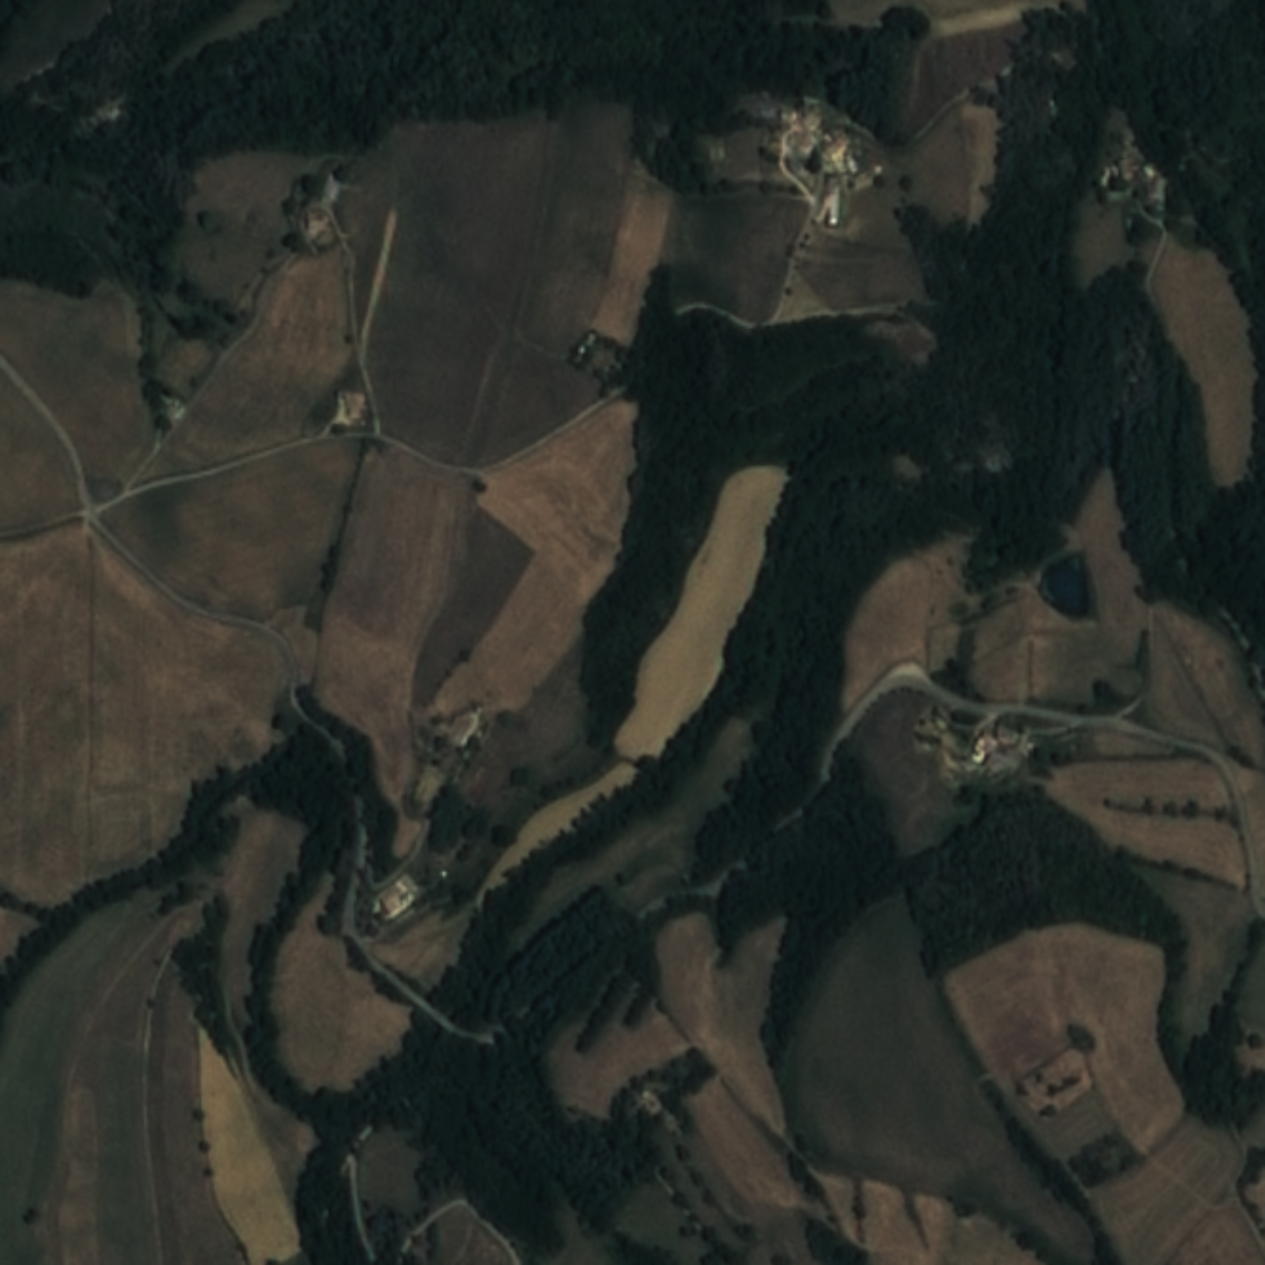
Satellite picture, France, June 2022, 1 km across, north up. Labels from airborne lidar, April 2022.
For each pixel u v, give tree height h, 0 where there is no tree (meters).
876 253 0
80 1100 0
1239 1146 0
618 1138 11
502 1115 22
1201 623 0
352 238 0
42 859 0
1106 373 7
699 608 0
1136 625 0
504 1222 10
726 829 13
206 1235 0
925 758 0
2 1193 0
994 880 16
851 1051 0
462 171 0
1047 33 14
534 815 0
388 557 0
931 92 0
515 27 20
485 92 20
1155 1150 0
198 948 13
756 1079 0
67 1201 0
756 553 0
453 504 0
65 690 0
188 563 0
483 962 19
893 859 8
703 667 0
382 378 0
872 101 30
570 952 20
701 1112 0
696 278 0
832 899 14
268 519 0
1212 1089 11
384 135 10
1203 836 0
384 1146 0
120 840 0
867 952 0
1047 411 16
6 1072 0
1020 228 13
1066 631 0
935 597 0
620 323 0
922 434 16
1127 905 17
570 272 0
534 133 0
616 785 0
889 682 0
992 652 0
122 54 11
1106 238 0
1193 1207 0
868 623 0
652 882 0
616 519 0
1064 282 16
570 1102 0
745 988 0
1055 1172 12
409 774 0
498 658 0
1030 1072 0
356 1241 11
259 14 0
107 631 0
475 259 0
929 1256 0
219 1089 0
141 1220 0
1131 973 0
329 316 0
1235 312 0
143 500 0
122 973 0
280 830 0
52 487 0
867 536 11
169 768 0
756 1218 0
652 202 0
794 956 8
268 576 0
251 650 0
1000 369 9
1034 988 0
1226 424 0
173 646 0
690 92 15
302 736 10
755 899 16
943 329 12
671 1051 0
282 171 0
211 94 8
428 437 0
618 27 22
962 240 10
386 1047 0
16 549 0
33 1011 0
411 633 0
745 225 0
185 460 0
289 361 0
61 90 18
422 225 0
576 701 0
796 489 16
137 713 0
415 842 0
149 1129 0
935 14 0
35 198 0
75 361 0
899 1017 0
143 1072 0
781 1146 0
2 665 0
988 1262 0
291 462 0
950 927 17
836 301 0
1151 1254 0
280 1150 0
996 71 0
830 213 0
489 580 0
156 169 14
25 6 14
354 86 18
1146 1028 0
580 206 0
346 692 0
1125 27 15
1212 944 0
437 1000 17
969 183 0
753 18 18
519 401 0
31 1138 0
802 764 15
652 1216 0
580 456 0
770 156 12
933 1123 0
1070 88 13
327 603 0
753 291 0
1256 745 0
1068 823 10
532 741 0
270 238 0
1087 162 16
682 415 16
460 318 0
